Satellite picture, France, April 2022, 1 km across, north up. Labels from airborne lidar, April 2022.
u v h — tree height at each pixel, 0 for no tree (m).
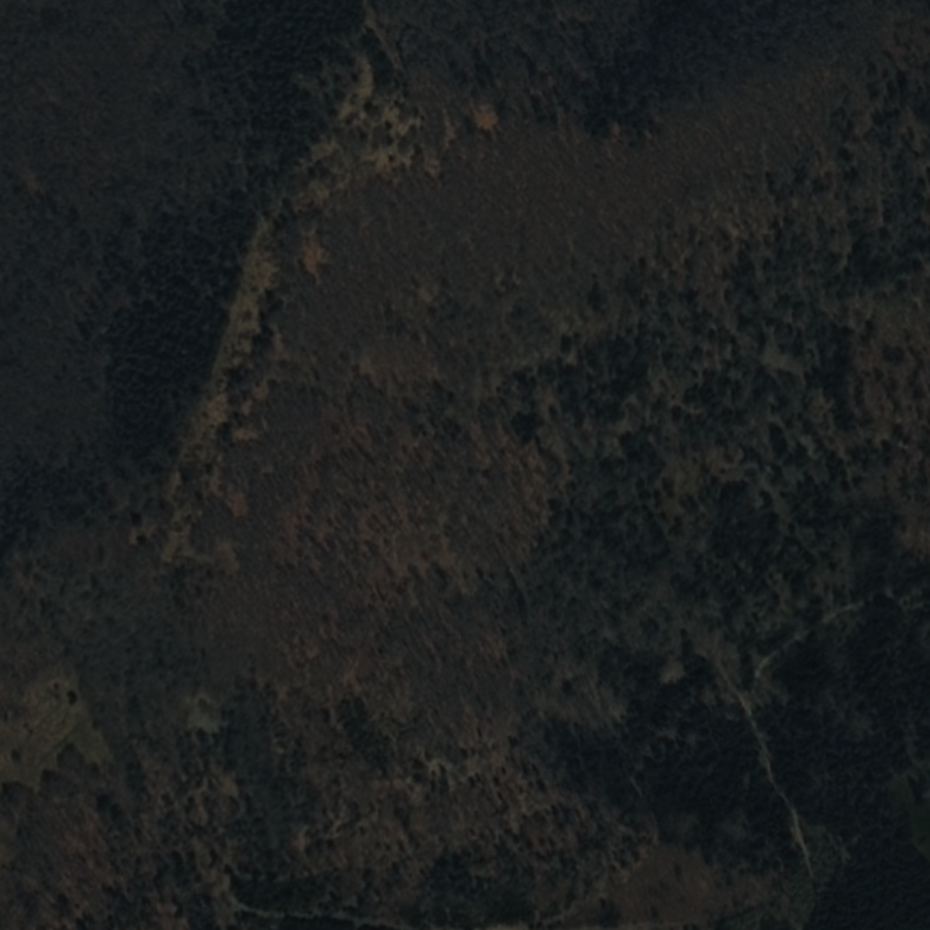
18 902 24
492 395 36
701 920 16
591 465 30
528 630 31
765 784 12
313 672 21
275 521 26
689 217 27
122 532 11
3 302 12
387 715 7
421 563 12
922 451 13
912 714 21
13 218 25
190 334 9
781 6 30
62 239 21
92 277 17
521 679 37
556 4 19
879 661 20
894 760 33
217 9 12
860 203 15
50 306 18
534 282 31
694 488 8
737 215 24
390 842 7
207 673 21
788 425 20
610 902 11
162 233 17
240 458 18
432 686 26
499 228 27
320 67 16
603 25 19
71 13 18
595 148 21
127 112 18
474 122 17
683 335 32
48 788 16
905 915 30
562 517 37
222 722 20
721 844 20
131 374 11
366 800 26
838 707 21
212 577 11
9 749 0
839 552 16
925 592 13
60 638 25
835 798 23
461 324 26
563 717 13
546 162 22
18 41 24
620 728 22
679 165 29
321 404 29
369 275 29
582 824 27
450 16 20
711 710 15
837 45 24
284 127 14
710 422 35
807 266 26
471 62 12
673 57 22
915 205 30
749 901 20
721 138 25
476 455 34
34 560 12
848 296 17
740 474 10
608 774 19
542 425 14
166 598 12
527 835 11
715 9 23
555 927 10
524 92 15
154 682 22
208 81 16
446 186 23
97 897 25
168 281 18
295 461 26
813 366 8
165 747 26
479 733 9
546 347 26
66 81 19
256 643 18
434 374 14
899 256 18
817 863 24
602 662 14
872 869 30
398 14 17
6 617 24
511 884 29
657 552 25
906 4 30
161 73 16
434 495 28
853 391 17
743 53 25
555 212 26
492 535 30
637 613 24
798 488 13
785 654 16
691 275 34
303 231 10
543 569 28
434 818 27
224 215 9
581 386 32
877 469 17
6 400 19
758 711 25
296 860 24
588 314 16
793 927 17
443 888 27
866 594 25
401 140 8
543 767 33
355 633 27
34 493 16
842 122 28
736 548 27
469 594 16
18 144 24
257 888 24
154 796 28
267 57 8
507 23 25
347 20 18
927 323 18
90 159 21
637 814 10
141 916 9
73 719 0
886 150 28
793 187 7
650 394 26
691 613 19
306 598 27
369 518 33
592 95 21
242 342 0
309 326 19
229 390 8
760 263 21
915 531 15
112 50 19
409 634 31
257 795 20
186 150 15
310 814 25
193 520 9
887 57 30
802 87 28
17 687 20
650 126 16
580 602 27
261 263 0
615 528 22
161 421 15
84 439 16
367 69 0
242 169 12
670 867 18
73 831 30
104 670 28
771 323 24
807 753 33
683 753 24
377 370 19
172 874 34
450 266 31
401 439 13
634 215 27
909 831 25
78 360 16
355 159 9
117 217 11
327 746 6
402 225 23
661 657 15
